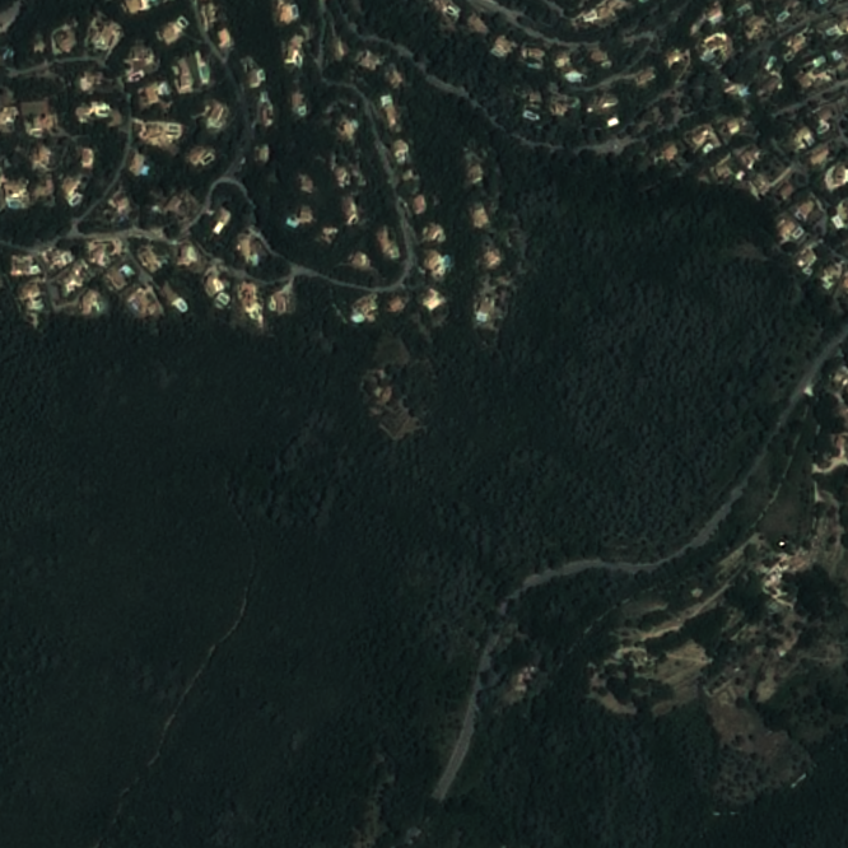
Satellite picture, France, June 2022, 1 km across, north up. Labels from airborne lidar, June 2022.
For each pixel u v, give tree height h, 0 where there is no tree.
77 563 6
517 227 10
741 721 0
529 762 12
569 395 18
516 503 15
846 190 12
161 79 10
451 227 6
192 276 8
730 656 15
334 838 18
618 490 7
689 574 8
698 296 15
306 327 10
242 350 8
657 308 19
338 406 12
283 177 11
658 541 21
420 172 12
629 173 14
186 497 10
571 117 24
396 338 8
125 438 9
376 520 16
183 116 8
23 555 8
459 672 7
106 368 9
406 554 11
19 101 6
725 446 21
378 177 14
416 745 17
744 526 7
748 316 18
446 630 14
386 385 13
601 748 7
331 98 8
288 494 6
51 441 8
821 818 9
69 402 9
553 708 20
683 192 25
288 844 11
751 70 29
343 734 15
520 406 13
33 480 11
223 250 12
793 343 19
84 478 11
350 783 14
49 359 16
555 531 15
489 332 10
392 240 9
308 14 12
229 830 12
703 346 20
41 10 11
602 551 11
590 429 15
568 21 15
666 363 20
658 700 14
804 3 12
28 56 9
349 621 9
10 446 16
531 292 9
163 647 11
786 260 18
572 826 22
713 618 10
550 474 23
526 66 6
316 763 15
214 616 9
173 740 8
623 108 8
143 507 9
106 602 7
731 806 12
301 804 20
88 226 9
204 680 8
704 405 15
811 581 18
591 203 11
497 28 17
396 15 14
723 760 12
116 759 11
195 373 8
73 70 6
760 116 12
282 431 13
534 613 23
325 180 9
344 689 9
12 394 17
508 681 17
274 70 8
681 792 10
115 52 9
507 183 13
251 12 9
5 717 8
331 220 9
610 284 15
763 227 18
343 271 10
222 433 10
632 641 8
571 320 16
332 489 17
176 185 9
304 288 12
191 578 10
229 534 12
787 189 0
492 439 10
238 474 15
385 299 7
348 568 10
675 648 11
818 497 0
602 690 11
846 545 12
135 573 8
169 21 8
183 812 7
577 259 8
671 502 22
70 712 7
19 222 11
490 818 9
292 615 10
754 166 6
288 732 10
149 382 8
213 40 9
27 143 6
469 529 15
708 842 13
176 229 13
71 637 8
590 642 10
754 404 19
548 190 19
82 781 8
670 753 15
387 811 17
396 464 16
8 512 10
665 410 10
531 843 14
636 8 6
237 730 6
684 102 11
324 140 7
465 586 22
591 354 19
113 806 12
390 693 10
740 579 8
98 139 10
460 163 11
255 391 10
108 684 7
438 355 17
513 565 9
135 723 8
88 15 10
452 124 13
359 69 8
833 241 13
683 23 15
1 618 9
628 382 11
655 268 15
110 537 6
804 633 7
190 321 8
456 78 19
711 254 12
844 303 10
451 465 15
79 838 11
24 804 8
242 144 11
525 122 10
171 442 12
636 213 20
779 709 7
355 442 12
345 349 13
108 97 10
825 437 12
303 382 8
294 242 15
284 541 9
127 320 10
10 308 12
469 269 6
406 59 11
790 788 9
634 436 18
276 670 7
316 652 12
